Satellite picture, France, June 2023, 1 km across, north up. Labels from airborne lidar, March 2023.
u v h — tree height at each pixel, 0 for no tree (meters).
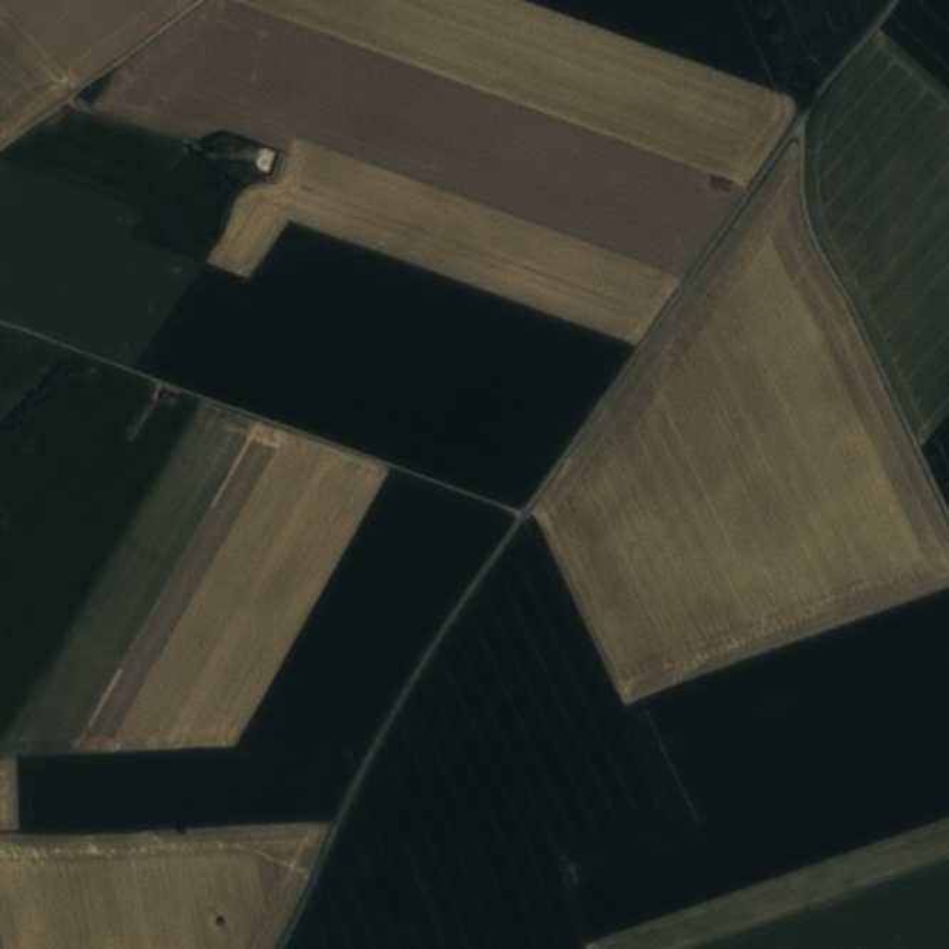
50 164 0
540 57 0
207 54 0
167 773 0
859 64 0
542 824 0
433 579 0
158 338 0
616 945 0
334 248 0
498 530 0
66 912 0
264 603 0
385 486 0
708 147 0
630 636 0
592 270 0
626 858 0
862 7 0
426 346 0
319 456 0
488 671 0
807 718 0
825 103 0
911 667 0
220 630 0
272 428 0
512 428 0
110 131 0
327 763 0
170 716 0
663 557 0
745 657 0
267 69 0
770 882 0
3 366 0
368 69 0
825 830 0
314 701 0
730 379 0
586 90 0
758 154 0
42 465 0
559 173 0
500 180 0
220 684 0
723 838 0
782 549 0
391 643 0
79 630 0
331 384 0
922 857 0
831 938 0
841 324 0
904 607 0
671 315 0
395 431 0
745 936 0
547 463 0
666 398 0
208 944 0
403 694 0
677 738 0
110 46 0
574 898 0
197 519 0
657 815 0
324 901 0
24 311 0
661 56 0
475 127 0
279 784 0
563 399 0
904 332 0
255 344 0
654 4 0
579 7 0
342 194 0
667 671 0
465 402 0
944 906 0
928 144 0
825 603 0
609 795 0
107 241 0
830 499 0
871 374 0
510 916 0
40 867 0
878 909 0
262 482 0
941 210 0
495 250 0
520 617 0
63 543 0
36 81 0
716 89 0
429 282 0
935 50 0
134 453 0
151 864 0
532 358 0
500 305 0
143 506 0
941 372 0
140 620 0
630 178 0
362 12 0
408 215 0
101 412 0
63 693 0
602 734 0
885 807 0
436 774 0
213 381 0
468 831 0
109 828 0
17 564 0
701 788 0
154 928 0
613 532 0
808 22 0
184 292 0
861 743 0
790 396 0
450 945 0
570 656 0
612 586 0
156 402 0
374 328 0
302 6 0
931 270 0
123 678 0
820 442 0
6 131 0
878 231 0
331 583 0
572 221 0
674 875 0
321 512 0
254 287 0
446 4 0
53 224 0
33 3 0
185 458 0
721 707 0
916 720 0
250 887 0
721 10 0
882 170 0
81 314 0
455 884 0
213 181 8
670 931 0
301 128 0
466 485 0
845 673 0
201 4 0
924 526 0
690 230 0
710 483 0
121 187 0
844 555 0
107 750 0
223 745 0
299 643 0
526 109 0
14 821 0
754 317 0
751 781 0
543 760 0
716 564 0
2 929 0
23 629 0
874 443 0
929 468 0
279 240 0
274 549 0
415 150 0
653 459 0
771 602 0
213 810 0
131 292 0
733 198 0
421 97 0
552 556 0
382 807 0
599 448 0
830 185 0
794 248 0
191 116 0
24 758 0
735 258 0
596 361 0
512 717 0
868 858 0
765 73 0
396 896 0
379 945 0
